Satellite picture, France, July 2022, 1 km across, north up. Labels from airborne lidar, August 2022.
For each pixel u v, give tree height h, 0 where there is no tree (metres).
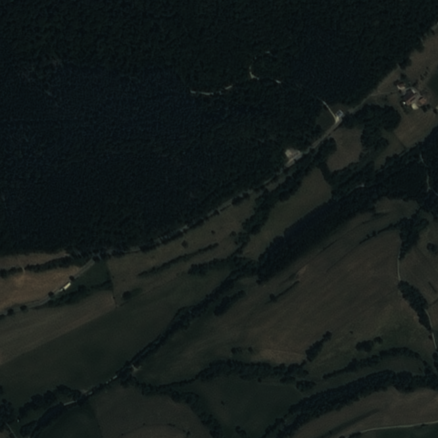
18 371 0
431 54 0
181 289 0
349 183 16
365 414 0
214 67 19
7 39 18
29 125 18
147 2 22
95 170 24
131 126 25
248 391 0
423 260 0
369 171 20
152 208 22
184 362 0
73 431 0
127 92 24
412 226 17
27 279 0
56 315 0
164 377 0
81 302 0
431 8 18
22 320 0
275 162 16
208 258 0
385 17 21
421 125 0
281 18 19
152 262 0
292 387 0
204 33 18
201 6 17
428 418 0
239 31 21
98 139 28
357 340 0
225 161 18
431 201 28
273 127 21
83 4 24
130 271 0
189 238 0
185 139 19
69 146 30
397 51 23
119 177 21
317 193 0
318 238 34
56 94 23
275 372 11
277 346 0
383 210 0
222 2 16
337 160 0
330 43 19
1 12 20
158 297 0
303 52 19
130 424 0
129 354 0
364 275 0
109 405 0
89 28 16
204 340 0
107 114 27
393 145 0
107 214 19
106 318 0
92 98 29
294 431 14
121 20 20
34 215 19
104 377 0
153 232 21
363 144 8
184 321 21
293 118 23
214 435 21
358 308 0
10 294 0
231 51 19
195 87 7
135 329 0
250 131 14
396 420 0
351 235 0
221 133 17
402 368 0
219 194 22
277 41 16
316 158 14
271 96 21
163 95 32
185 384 10
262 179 23
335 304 0
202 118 27
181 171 22
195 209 18
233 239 0
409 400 0
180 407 0
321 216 35
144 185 21
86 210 20
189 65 16
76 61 9
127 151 23
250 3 12
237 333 0
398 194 20
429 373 15
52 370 0
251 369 19
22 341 0
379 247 0
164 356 0
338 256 0
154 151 22
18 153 26
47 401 22
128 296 14
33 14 24
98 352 0
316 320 0
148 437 0
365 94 20
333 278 0
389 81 0
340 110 0
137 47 7
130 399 0
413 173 17
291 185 17
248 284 0
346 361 0
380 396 0
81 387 0
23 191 18
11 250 24
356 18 21
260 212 11
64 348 0
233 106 16
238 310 0
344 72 19
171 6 23
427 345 0
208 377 8
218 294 14
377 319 0
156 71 28
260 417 0
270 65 15
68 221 21
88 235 21
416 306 15
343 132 0
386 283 0
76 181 22
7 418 21
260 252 0
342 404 20
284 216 0
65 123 30
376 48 14
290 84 16
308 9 19
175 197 23
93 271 0
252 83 19
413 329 0
